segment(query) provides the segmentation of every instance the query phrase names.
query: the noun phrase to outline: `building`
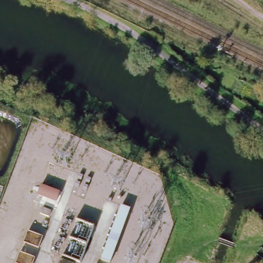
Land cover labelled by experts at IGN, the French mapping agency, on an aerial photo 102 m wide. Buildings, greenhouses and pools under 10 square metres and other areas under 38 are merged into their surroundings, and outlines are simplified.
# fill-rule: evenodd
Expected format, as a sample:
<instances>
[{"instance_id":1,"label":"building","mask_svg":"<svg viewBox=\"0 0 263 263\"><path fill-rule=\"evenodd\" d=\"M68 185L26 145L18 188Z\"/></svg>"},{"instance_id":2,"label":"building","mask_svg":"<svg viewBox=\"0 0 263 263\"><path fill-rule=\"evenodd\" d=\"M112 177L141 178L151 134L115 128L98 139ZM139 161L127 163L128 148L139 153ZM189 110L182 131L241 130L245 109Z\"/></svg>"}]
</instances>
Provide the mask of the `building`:
<instances>
[{"instance_id":1,"label":"building","mask_svg":"<svg viewBox=\"0 0 263 263\"><path fill-rule=\"evenodd\" d=\"M73 237L65 253L83 259L97 228L78 222L72 231Z\"/></svg>"},{"instance_id":2,"label":"building","mask_svg":"<svg viewBox=\"0 0 263 263\"><path fill-rule=\"evenodd\" d=\"M30 228L25 241L33 245L42 245L45 234Z\"/></svg>"},{"instance_id":3,"label":"building","mask_svg":"<svg viewBox=\"0 0 263 263\"><path fill-rule=\"evenodd\" d=\"M104 240L106 247L98 263L109 263L129 210L128 205L122 204L108 241Z\"/></svg>"},{"instance_id":4,"label":"building","mask_svg":"<svg viewBox=\"0 0 263 263\"><path fill-rule=\"evenodd\" d=\"M44 184L38 191L45 197L57 199L63 193L62 190Z\"/></svg>"},{"instance_id":5,"label":"building","mask_svg":"<svg viewBox=\"0 0 263 263\"><path fill-rule=\"evenodd\" d=\"M22 250L17 256L17 263L36 263L37 255Z\"/></svg>"}]
</instances>

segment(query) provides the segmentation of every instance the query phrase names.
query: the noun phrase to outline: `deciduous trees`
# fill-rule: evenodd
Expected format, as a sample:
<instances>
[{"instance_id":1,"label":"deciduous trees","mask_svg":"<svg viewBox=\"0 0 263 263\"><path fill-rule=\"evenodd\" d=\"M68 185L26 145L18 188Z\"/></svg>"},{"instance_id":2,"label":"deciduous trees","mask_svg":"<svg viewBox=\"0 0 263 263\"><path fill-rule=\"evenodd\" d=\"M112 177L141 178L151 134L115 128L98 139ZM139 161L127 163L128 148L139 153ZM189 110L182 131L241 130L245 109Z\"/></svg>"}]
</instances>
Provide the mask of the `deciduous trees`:
<instances>
[{"instance_id":1,"label":"deciduous trees","mask_svg":"<svg viewBox=\"0 0 263 263\"><path fill-rule=\"evenodd\" d=\"M0 100L11 101L13 85L17 82L16 76L9 75L0 67Z\"/></svg>"},{"instance_id":2,"label":"deciduous trees","mask_svg":"<svg viewBox=\"0 0 263 263\"><path fill-rule=\"evenodd\" d=\"M55 105L53 96L48 95L46 86L36 77L31 77L29 83L22 86L16 93L16 101L13 104L20 109L25 110L48 109L59 116L60 123L57 126L61 133L66 134L66 131L69 131L72 135L76 128L75 121L72 120L75 111L71 102L67 101L59 107Z\"/></svg>"},{"instance_id":3,"label":"deciduous trees","mask_svg":"<svg viewBox=\"0 0 263 263\"><path fill-rule=\"evenodd\" d=\"M248 134L251 125L243 120L237 122L231 109L228 112L218 109L204 96L204 90L197 86L197 83L167 73L162 61L149 46L140 42L129 50L126 66L131 74L144 74L149 67L154 67L158 85L168 88L172 100L177 103L193 101L196 112L209 122L221 124L225 121L227 133L233 138L238 136L239 131L241 134Z\"/></svg>"}]
</instances>

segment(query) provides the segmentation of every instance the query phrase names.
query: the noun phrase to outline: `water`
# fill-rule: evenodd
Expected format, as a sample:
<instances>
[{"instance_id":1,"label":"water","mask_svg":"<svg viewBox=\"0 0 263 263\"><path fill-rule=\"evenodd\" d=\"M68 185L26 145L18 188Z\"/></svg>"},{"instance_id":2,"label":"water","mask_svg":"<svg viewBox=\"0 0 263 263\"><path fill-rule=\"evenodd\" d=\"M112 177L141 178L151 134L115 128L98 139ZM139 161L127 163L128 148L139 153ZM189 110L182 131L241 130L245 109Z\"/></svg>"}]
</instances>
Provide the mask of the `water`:
<instances>
[{"instance_id":1,"label":"water","mask_svg":"<svg viewBox=\"0 0 263 263\"><path fill-rule=\"evenodd\" d=\"M11 145L10 127L14 122L0 116L0 170Z\"/></svg>"},{"instance_id":2,"label":"water","mask_svg":"<svg viewBox=\"0 0 263 263\"><path fill-rule=\"evenodd\" d=\"M233 138L227 133L225 121L221 124L209 122L196 112L193 101L177 103L172 100L168 88L158 85L154 67L149 67L144 74L131 74L126 66L129 50L119 38L112 38L99 28L90 29L82 17L69 16L65 12L55 10L46 11L40 5L31 5L28 0L0 0L0 67L9 75L16 76L17 82L22 86L29 83L31 77L36 77L46 86L48 95L53 96L55 105L59 107L67 101L71 102L75 111L72 120L75 121L87 114L103 113L103 121L113 133L125 135L130 144L145 148L151 156L166 151L168 157L180 164L183 162L183 156L186 156L187 160L193 163L190 170L194 175L210 182L211 186L220 186L231 200L230 216L224 224L225 230L220 234L219 245L229 249L234 245L233 240L232 234L242 211L254 210L262 219L263 219L263 157L249 159L238 154L234 148Z\"/></svg>"}]
</instances>

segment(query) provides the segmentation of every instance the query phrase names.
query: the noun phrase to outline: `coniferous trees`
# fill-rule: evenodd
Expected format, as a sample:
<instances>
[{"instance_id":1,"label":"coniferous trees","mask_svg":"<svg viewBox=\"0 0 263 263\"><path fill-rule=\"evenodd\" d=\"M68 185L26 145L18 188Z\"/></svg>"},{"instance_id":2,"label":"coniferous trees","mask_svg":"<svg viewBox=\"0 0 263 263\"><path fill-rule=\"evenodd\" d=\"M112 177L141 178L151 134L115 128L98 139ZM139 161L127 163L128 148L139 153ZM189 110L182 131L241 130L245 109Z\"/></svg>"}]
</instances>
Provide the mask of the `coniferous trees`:
<instances>
[{"instance_id":1,"label":"coniferous trees","mask_svg":"<svg viewBox=\"0 0 263 263\"><path fill-rule=\"evenodd\" d=\"M241 134L239 131L238 136L233 138L234 148L238 154L249 159L263 157L263 130L251 125L248 134Z\"/></svg>"}]
</instances>

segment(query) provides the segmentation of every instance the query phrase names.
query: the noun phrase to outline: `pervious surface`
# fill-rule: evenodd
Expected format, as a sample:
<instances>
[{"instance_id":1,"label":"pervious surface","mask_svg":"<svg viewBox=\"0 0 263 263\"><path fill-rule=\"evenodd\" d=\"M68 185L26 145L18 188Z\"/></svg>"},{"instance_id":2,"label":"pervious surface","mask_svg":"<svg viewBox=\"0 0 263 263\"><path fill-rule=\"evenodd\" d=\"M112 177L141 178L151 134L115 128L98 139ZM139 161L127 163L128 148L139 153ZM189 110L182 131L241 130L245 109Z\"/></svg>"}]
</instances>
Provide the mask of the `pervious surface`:
<instances>
[{"instance_id":1,"label":"pervious surface","mask_svg":"<svg viewBox=\"0 0 263 263\"><path fill-rule=\"evenodd\" d=\"M216 9L235 22L230 30L227 30L167 0L83 0L123 18L145 32L151 27L162 38L174 42L187 53L197 53L206 46L234 61L238 59L247 66L263 69L263 45L258 46L242 37L247 33L246 30L250 29L251 23L263 27L263 0L198 0L196 3L203 4L202 7Z\"/></svg>"}]
</instances>

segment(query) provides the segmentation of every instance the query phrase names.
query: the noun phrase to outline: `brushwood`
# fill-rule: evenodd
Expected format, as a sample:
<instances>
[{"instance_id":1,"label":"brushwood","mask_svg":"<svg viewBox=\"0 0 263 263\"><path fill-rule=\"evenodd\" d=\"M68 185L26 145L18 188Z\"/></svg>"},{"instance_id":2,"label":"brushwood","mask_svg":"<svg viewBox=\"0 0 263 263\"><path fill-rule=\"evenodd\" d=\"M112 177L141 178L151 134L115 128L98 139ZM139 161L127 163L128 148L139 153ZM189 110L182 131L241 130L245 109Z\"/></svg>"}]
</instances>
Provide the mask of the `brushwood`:
<instances>
[{"instance_id":1,"label":"brushwood","mask_svg":"<svg viewBox=\"0 0 263 263\"><path fill-rule=\"evenodd\" d=\"M57 126L60 123L59 116L48 109L25 110L24 114L34 115L39 119Z\"/></svg>"},{"instance_id":2,"label":"brushwood","mask_svg":"<svg viewBox=\"0 0 263 263\"><path fill-rule=\"evenodd\" d=\"M247 221L252 224L254 220L260 222L262 219L254 210L242 211L232 234L233 240L241 233L242 226Z\"/></svg>"},{"instance_id":3,"label":"brushwood","mask_svg":"<svg viewBox=\"0 0 263 263\"><path fill-rule=\"evenodd\" d=\"M14 116L20 109L13 104L16 101L16 93L22 86L17 82L13 85L11 101L0 100L0 110Z\"/></svg>"},{"instance_id":4,"label":"brushwood","mask_svg":"<svg viewBox=\"0 0 263 263\"><path fill-rule=\"evenodd\" d=\"M147 167L151 170L153 166L157 166L165 193L172 184L179 188L183 186L180 174L187 173L188 177L194 175L190 170L193 163L187 160L186 156L183 156L183 162L180 164L168 157L166 151L151 156L145 148L130 144L125 135L113 133L103 121L103 113L87 114L75 121L76 128L72 135L135 161L142 165L142 168Z\"/></svg>"},{"instance_id":5,"label":"brushwood","mask_svg":"<svg viewBox=\"0 0 263 263\"><path fill-rule=\"evenodd\" d=\"M197 86L204 90L204 96L218 109L228 112L231 109L237 122L243 120L251 125L263 130L263 69L247 66L238 59L234 61L206 46L197 53L187 53L174 42L162 38L151 27L145 32L156 38L161 49L171 55L162 61L167 73L197 83ZM241 96L223 85L224 75L237 83L246 83L253 87L251 95Z\"/></svg>"}]
</instances>

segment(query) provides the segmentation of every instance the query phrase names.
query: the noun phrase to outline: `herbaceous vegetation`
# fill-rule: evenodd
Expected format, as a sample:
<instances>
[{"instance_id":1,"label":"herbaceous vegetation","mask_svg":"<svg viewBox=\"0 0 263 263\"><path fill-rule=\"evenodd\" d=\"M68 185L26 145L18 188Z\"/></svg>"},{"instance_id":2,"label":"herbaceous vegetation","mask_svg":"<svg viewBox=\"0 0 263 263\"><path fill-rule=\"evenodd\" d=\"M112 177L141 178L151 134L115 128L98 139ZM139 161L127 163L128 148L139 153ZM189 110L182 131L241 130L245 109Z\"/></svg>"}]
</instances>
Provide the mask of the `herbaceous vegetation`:
<instances>
[{"instance_id":1,"label":"herbaceous vegetation","mask_svg":"<svg viewBox=\"0 0 263 263\"><path fill-rule=\"evenodd\" d=\"M31 5L40 5L46 11L55 10L65 12L69 16L82 17L90 29L99 28L101 17L98 14L91 14L81 9L80 5L68 4L63 0L28 0Z\"/></svg>"},{"instance_id":2,"label":"herbaceous vegetation","mask_svg":"<svg viewBox=\"0 0 263 263\"><path fill-rule=\"evenodd\" d=\"M237 83L224 75L223 85L241 96L251 95L253 87L246 83Z\"/></svg>"},{"instance_id":3,"label":"herbaceous vegetation","mask_svg":"<svg viewBox=\"0 0 263 263\"><path fill-rule=\"evenodd\" d=\"M247 221L242 226L241 233L233 240L234 245L229 249L219 245L220 234L225 230L224 224L230 216L231 200L220 186L211 186L210 182L194 175L188 177L187 173L180 174L183 186L179 188L172 184L165 193L173 218L173 227L158 263L263 263L263 219L262 219L260 222L254 220L252 224Z\"/></svg>"},{"instance_id":4,"label":"herbaceous vegetation","mask_svg":"<svg viewBox=\"0 0 263 263\"><path fill-rule=\"evenodd\" d=\"M246 30L247 33L242 37L258 46L263 45L263 27L251 23L250 29Z\"/></svg>"},{"instance_id":5,"label":"herbaceous vegetation","mask_svg":"<svg viewBox=\"0 0 263 263\"><path fill-rule=\"evenodd\" d=\"M196 3L198 0L167 0L227 30L230 30L235 22L216 9L202 7L203 4Z\"/></svg>"},{"instance_id":6,"label":"herbaceous vegetation","mask_svg":"<svg viewBox=\"0 0 263 263\"><path fill-rule=\"evenodd\" d=\"M39 119L34 115L24 114L25 110L20 109L14 116L22 121L21 135L7 171L0 177L0 185L8 186L30 126Z\"/></svg>"}]
</instances>

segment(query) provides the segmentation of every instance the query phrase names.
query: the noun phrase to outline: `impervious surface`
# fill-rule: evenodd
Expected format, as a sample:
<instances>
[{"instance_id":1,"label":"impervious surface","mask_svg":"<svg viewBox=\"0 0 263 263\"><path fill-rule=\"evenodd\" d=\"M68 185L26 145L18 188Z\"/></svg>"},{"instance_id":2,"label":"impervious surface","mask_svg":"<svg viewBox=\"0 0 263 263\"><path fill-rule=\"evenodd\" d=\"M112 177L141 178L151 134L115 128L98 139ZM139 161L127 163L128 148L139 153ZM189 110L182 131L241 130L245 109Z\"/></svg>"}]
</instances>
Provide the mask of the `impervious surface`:
<instances>
[{"instance_id":1,"label":"impervious surface","mask_svg":"<svg viewBox=\"0 0 263 263\"><path fill-rule=\"evenodd\" d=\"M63 193L57 199L45 197L38 191L44 184L62 190ZM142 165L135 161L72 135L69 131L66 131L66 134L61 133L57 126L39 119L30 126L8 186L0 185L0 263L17 263L17 256L22 250L37 255L36 263L98 263L106 247L104 240L108 241L122 204L128 205L129 210L109 263L158 263L173 227L173 218L165 193L157 166L153 166L151 170L147 167L142 168ZM97 228L83 259L65 253L73 237L72 231L78 222ZM45 234L42 245L33 245L25 241L30 228Z\"/></svg>"},{"instance_id":2,"label":"impervious surface","mask_svg":"<svg viewBox=\"0 0 263 263\"><path fill-rule=\"evenodd\" d=\"M171 55L161 49L156 38L145 32L123 18L83 0L63 0L68 4L80 5L81 9L91 14L98 14L101 17L99 28L112 38L119 38L129 50L140 42L149 46L162 61Z\"/></svg>"},{"instance_id":3,"label":"impervious surface","mask_svg":"<svg viewBox=\"0 0 263 263\"><path fill-rule=\"evenodd\" d=\"M14 116L0 110L0 116L14 122L10 127L11 145L0 170L0 177L7 171L21 135L22 121Z\"/></svg>"}]
</instances>

